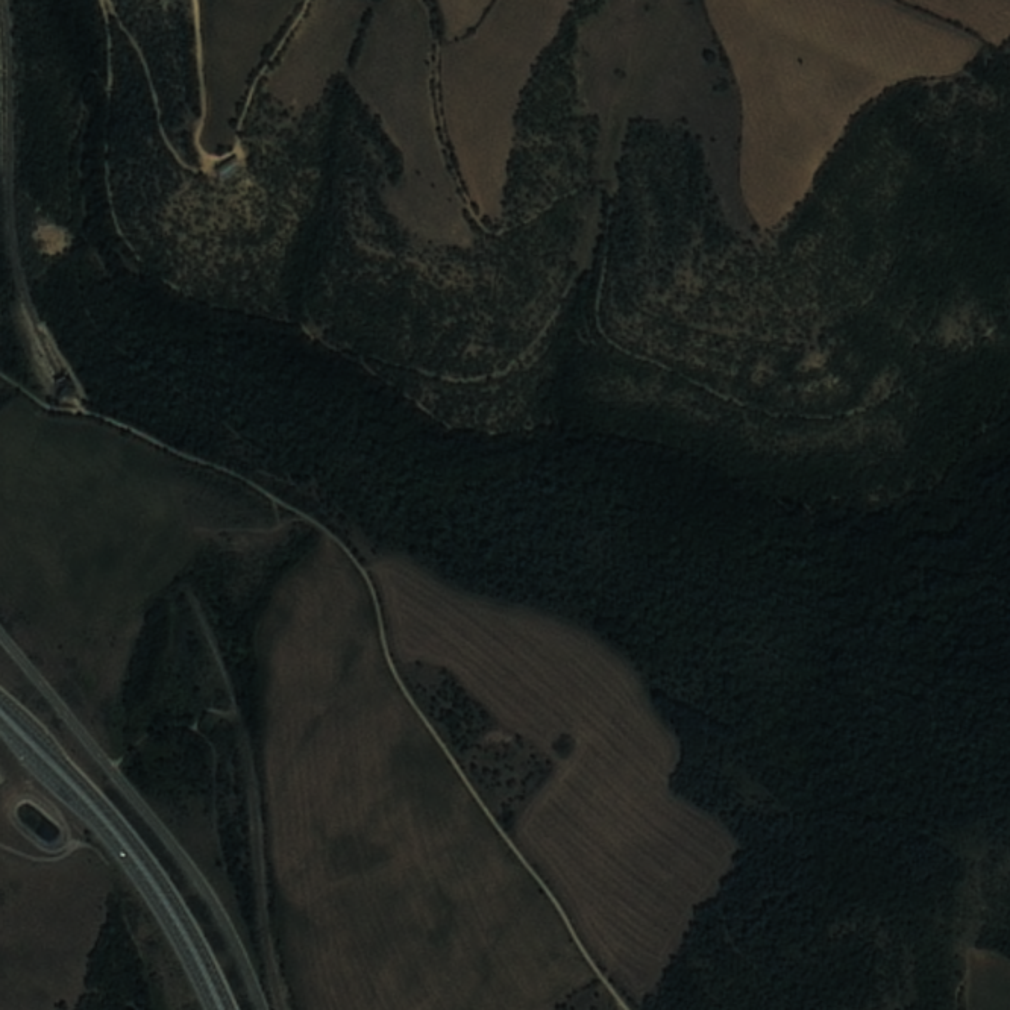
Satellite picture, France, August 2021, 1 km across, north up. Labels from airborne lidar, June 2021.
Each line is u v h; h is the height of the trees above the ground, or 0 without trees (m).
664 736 0
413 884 0
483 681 0
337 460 7
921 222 8
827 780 7
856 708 11
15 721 0
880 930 6
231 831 7
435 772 0
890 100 8
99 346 10
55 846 0
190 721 13
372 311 6
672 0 0
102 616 0
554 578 6
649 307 6
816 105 0
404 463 10
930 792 6
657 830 0
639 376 6
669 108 0
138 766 7
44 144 8
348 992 0
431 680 0
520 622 0
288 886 0
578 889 0
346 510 9
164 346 10
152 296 18
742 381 6
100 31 7
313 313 6
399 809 0
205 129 0
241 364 12
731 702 7
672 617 10
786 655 6
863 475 9
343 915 0
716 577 10
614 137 0
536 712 0
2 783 0
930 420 9
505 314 6
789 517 20
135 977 10
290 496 6
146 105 6
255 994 0
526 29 0
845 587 10
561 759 0
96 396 10
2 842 0
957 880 6
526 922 0
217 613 8
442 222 0
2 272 14
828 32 0
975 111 6
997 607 14
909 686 13
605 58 0
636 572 7
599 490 8
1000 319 6
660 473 17
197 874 0
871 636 9
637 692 0
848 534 13
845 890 8
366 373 7
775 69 0
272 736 0
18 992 0
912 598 14
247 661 10
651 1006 8
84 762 0
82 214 7
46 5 7
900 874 7
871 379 7
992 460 16
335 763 0
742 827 7
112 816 0
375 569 0
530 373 6
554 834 0
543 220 5
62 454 0
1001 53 8
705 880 0
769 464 10
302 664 0
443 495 9
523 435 8
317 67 0
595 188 7
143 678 12
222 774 7
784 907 9
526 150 6
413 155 0
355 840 0
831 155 7
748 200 0
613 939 0
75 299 8
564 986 0
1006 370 12
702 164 7
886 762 9
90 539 0
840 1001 7
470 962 0
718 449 7
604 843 0
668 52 0
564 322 10
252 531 0
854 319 6
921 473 9
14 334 7
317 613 0
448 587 0
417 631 0
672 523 18
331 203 6
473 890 0
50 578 0
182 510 0
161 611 11
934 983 8
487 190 0
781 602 7
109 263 9
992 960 0
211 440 8
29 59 7
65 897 0
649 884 0
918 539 14
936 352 9
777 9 0
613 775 0
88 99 7
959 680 13
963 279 6
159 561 0
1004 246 9
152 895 0
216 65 0
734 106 0
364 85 0
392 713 0
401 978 0
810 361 0
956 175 10
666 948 0
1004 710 15
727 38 0
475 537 6
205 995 0
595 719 0
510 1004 0
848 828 7
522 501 7
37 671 0
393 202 0
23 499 0
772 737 9
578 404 13
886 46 0
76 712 0
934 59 0
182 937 0
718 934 7
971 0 0
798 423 8
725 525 14
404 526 6
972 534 14
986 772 9
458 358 6
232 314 11
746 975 6
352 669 0
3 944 0
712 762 6
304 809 0
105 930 9
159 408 6
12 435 0
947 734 11
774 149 0
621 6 0
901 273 8
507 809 7
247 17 0
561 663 0
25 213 7
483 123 0
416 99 0
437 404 7
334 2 0
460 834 0
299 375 11
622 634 11
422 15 0
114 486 0
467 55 0
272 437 6
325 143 7
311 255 9
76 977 0
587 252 0
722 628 8
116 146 6
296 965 0
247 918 10
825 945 7
